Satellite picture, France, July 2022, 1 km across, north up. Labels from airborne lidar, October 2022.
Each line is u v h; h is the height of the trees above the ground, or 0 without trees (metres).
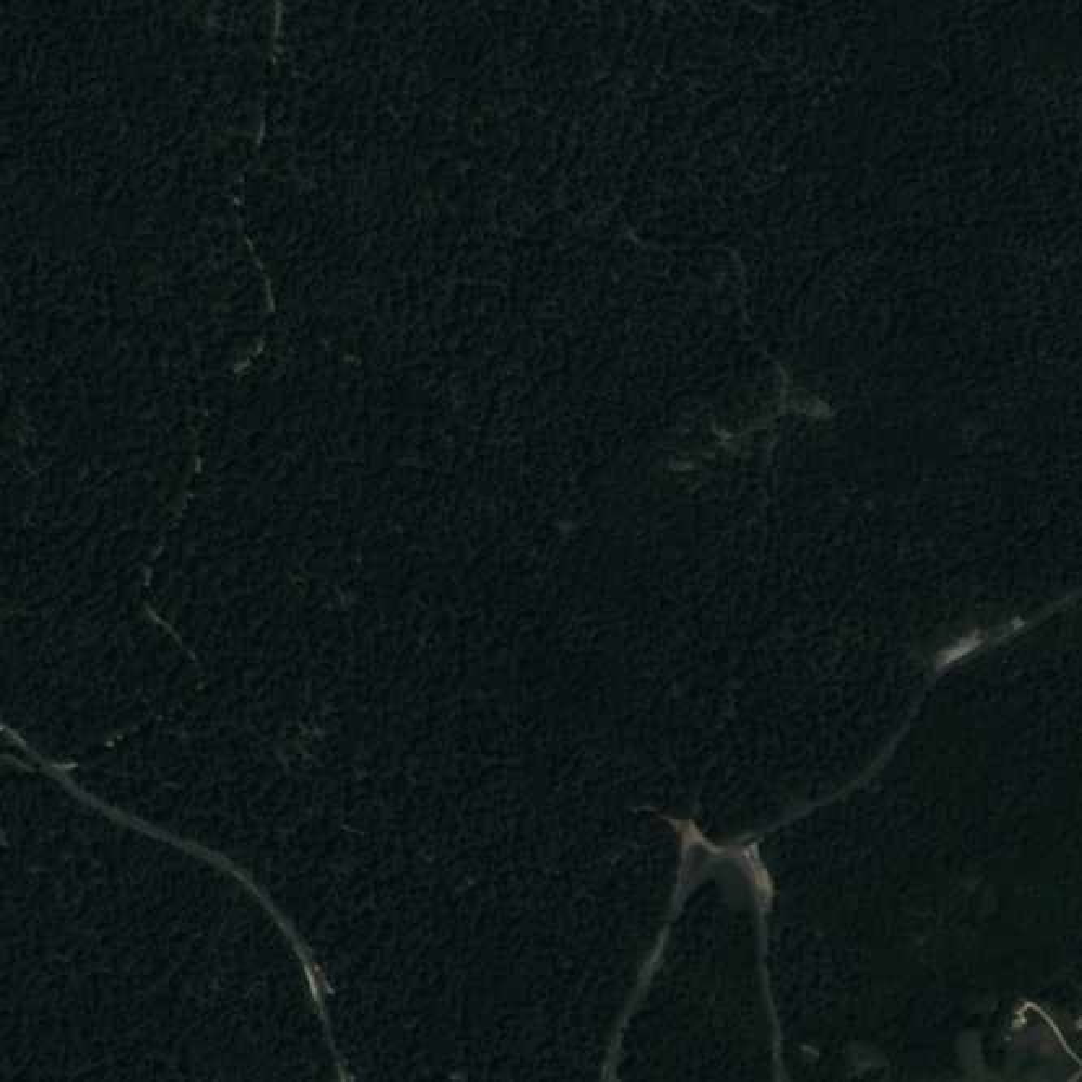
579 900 7
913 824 17
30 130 18
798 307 29
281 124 14
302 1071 19
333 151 13
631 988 13
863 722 18
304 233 29
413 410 17
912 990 9
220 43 6
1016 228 10
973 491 21
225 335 11
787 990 17
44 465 25
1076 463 19
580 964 33
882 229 20
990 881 9
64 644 25
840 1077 11
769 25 23
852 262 21
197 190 22
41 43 15
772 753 15
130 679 12
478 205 20
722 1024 7
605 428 27
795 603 21
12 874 19
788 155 15
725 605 28
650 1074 12
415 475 22
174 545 22
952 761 16
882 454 14
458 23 23
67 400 19
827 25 31
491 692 29
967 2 14
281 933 22
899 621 16
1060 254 13
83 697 10
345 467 22
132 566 24
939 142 19
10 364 21
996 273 20
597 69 20
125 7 24
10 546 21
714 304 19
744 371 17
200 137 14
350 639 25
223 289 21
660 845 19
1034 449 21
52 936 18
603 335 24
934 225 17
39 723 6
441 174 22
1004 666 6
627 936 19
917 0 26
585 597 21
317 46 20
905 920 8
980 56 27
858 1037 8
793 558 9
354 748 21
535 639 15
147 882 22
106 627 30
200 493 24
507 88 20
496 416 23
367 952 11
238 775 15
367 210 8
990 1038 14
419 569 16
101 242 24
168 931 20
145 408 16
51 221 22
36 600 17
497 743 24
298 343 19
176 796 15
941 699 12
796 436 8
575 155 7
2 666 15
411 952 25
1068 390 25
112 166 24
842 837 28
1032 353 17
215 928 17
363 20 22
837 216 21
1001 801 12
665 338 21
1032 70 14
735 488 10
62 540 31
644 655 28
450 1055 32
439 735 23
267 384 18
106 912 7
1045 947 7
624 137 16
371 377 24
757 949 8
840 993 20
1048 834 7
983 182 18
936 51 31
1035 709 16
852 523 17
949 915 9
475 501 14
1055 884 7
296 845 20
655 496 12
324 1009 0
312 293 19
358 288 18
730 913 11
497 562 13
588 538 19
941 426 19
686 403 23
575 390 24
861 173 16
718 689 19
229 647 24
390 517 17
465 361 20
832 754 11
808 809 0
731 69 25
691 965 19
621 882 17
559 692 20
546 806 22
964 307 18
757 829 13
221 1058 17
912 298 17
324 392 21
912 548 15
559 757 19
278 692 24
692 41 22
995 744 11
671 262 17
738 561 25
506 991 22
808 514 14
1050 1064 0
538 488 26
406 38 23
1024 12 20
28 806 22
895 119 18
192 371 24
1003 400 17
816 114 20
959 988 12
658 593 32
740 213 22
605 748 23
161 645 9
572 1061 15
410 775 16
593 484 20
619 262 22
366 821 21
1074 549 10
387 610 13
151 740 31
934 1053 22
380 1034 30
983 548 15
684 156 19
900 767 13
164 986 6
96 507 9
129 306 13
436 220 10
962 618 10
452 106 21
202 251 12
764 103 14
